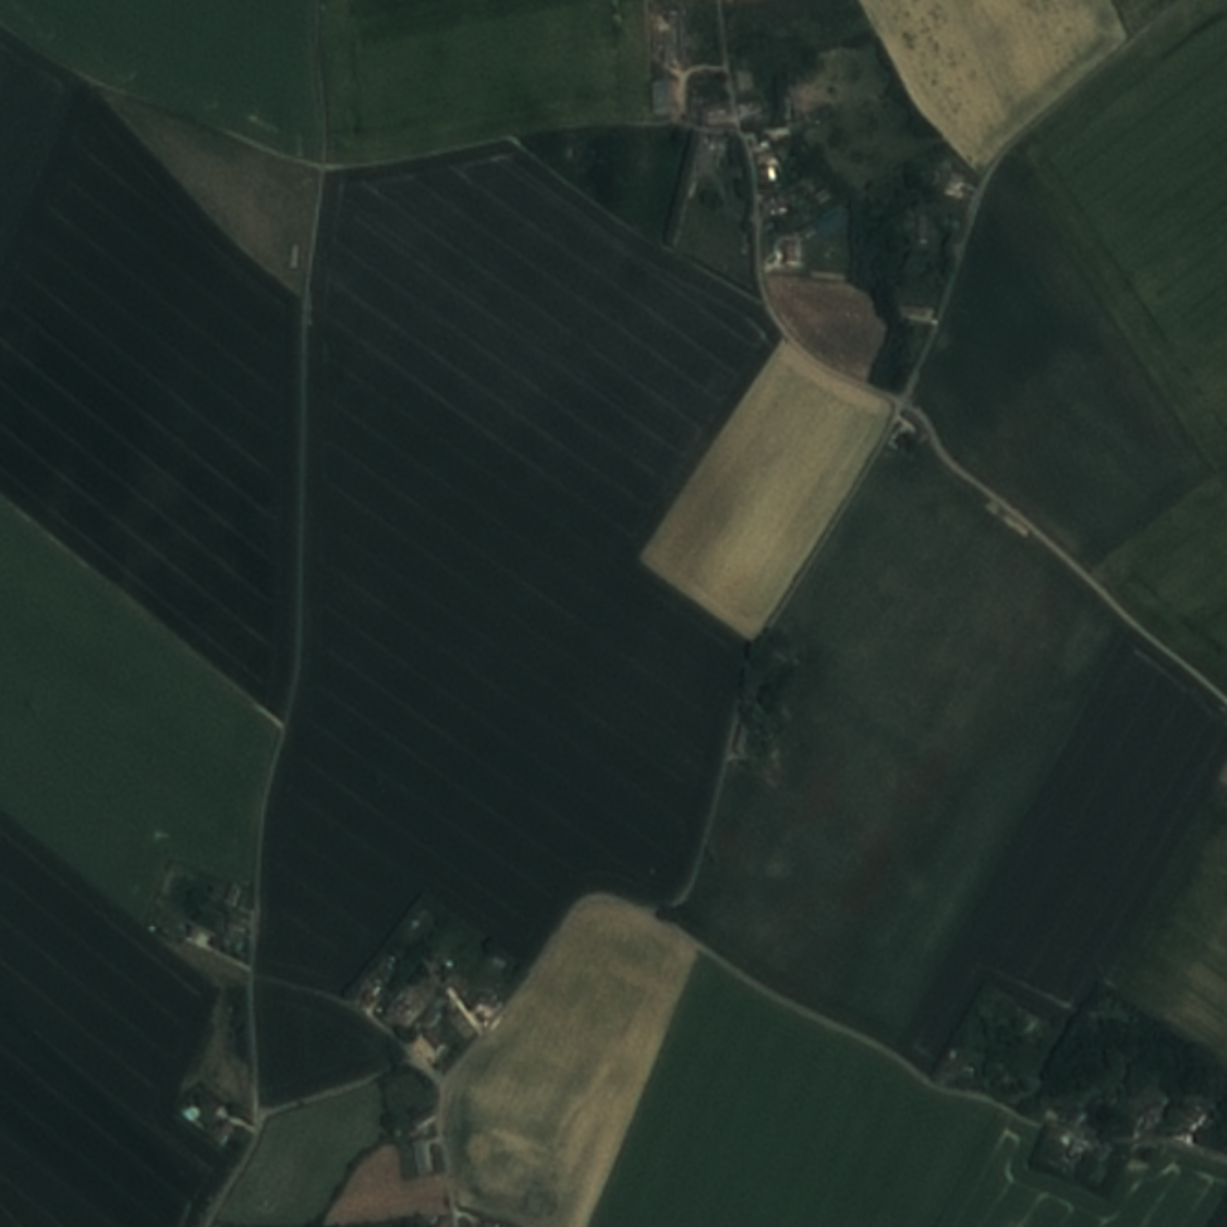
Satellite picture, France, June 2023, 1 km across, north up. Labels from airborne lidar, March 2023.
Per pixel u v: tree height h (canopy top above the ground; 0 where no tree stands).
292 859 0
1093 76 0
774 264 0
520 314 0
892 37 0
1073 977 0
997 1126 0
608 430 0
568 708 0
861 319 0
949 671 0
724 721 0
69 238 0
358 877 0
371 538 0
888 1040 0
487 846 0
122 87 0
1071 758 0
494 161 0
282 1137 0
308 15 0
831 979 0
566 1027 0
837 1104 0
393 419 0
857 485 0
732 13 0
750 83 0
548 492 0
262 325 0
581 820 0
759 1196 0
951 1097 0
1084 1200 0
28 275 0
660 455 0
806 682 0
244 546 0
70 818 0
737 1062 0
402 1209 0
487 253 0
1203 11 0
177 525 0
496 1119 0
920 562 0
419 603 0
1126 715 0
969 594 0
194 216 0
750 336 0
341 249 0
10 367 0
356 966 0
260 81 0
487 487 0
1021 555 0
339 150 0
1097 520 0
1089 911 0
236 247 0
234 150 0
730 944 0
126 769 0
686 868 0
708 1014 0
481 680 0
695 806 0
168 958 0
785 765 0
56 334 0
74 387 0
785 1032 0
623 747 0
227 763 0
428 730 0
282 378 0
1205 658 0
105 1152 0
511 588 0
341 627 0
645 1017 0
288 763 0
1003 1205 0
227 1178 0
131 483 0
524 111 0
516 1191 0
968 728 0
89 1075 0
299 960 0
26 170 0
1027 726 0
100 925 0
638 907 0
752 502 0
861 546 0
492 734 0
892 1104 0
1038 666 0
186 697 0
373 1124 0
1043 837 0
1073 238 0
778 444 0
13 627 0
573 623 0
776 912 0
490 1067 0
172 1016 0
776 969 0
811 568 0
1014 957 0
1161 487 0
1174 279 0
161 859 0
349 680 0
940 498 0
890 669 0
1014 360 0
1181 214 0
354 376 0
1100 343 0
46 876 0
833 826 0
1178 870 0
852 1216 0
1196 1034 0
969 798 0
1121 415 0
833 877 0
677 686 0
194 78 0
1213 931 0
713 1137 0
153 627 0
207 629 0
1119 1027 11
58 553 0
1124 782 0
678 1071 0
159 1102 0
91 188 0
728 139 9
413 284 0
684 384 0
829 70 0
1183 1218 0
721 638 0
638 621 0
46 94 0
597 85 0
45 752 0
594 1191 0
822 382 0
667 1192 0
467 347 0
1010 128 0
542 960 0
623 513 0
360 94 0
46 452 0
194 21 0
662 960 0
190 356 0
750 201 13
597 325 0
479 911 0
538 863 0
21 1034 0
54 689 0
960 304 0
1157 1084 14
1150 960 0
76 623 0
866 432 0
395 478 0
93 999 0
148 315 0
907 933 0
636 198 0
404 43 0
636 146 0
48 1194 0
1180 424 0
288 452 0
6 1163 0
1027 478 0
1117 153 0
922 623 0
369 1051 0
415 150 0
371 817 0
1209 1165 0
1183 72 0
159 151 0
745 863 0
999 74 0
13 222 0
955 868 0
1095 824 0
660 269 0
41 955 0
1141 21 0
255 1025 0
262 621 0
